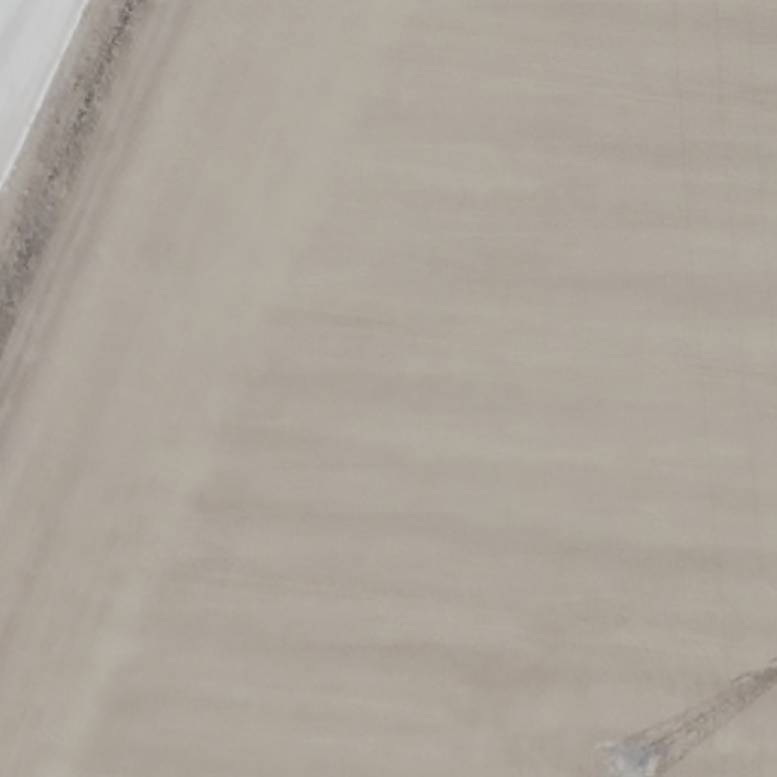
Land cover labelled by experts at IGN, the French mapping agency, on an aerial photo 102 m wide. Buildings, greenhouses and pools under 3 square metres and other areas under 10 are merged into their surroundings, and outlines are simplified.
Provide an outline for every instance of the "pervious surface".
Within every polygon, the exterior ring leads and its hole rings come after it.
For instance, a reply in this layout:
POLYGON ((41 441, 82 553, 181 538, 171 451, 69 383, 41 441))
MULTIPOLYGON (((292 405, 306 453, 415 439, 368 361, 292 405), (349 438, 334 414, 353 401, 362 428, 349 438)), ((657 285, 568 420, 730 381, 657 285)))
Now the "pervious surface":
POLYGON ((58 67, 79 33, 82 12, 91 0, 0 0, 0 194, 15 170, 18 155, 27 146, 33 121, 55 85, 58 67))

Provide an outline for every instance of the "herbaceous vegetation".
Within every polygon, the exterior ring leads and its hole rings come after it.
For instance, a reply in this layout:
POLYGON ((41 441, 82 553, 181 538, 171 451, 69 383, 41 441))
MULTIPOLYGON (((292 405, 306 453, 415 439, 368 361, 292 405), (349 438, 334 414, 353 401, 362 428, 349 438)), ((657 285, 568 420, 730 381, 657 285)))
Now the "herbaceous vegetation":
POLYGON ((18 155, 15 170, 0 194, 0 358, 15 328, 18 307, 24 304, 33 273, 42 264, 42 252, 61 225, 64 209, 73 203, 76 179, 85 161, 85 137, 100 121, 97 100, 109 100, 112 91, 112 58, 127 61, 134 12, 149 9, 149 0, 91 0, 82 12, 79 33, 58 67, 55 85, 33 121, 27 146, 18 155))

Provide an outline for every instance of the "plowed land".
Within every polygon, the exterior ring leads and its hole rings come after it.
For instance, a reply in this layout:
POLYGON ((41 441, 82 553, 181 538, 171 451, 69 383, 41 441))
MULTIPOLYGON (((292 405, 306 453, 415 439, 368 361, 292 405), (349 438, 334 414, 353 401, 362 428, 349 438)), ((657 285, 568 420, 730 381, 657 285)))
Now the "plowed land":
POLYGON ((109 100, 97 100, 100 121, 85 137, 85 161, 76 179, 73 203, 64 209, 61 225, 42 252, 42 264, 33 273, 24 304, 18 307, 15 328, 0 358, 0 777, 777 777, 777 0, 149 0, 149 9, 134 12, 127 61, 112 58, 112 91, 109 100))

